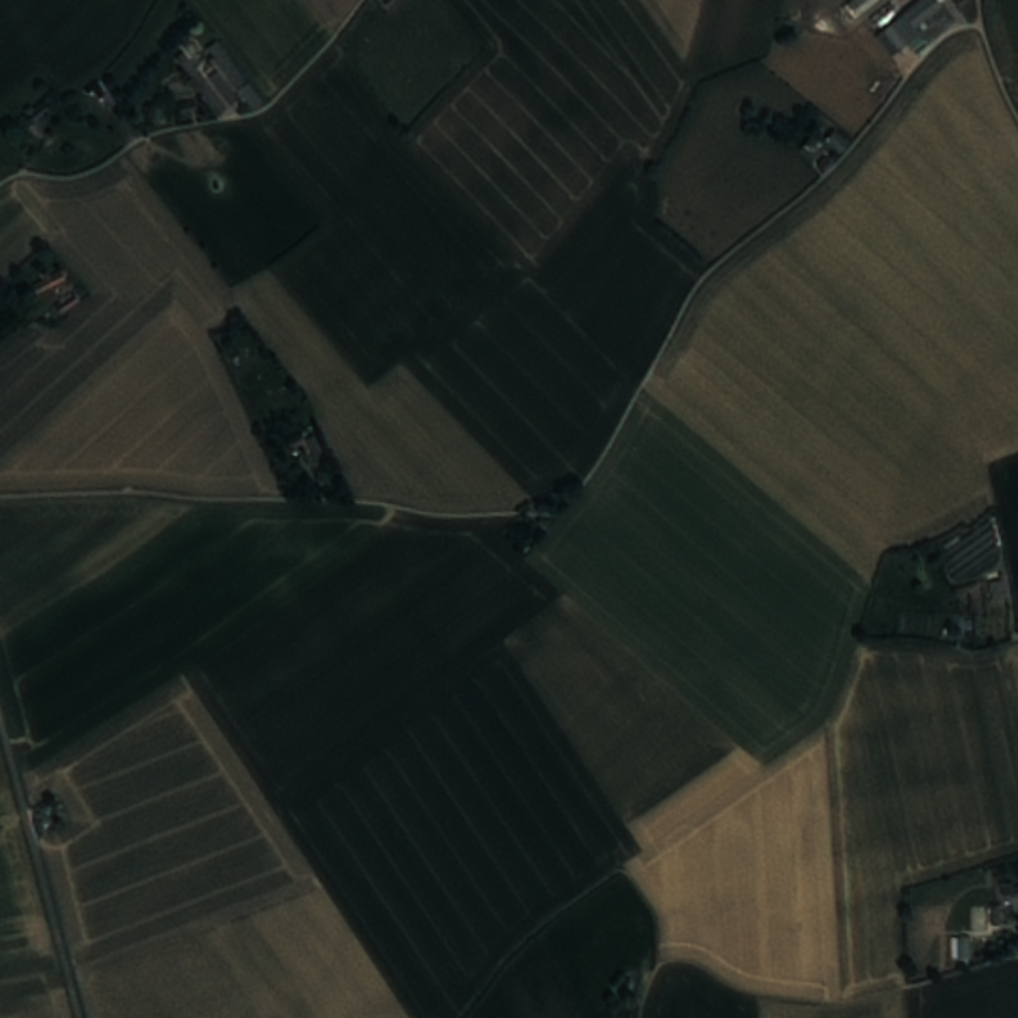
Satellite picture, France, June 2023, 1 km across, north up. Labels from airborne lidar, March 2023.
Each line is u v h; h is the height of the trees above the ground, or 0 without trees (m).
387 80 0
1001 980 0
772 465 0
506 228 0
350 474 0
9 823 0
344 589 0
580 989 0
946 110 0
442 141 0
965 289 0
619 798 0
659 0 0
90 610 0
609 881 0
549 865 0
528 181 0
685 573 0
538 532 12
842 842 0
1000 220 0
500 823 0
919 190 0
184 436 0
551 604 0
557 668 0
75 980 0
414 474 0
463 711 0
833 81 0
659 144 0
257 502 0
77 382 0
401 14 0
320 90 0
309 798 0
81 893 0
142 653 0
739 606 0
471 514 0
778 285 0
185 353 0
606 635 0
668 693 0
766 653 0
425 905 0
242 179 0
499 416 0
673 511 0
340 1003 0
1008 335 0
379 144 0
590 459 0
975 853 0
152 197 0
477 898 0
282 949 0
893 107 0
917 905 0
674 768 0
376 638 0
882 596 0
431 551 0
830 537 0
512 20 0
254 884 0
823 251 0
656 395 0
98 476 0
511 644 0
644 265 0
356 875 0
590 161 0
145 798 0
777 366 0
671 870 0
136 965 0
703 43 0
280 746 0
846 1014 0
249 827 0
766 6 0
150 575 0
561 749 0
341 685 0
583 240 0
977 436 0
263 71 0
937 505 0
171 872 0
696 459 0
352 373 0
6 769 0
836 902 0
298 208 0
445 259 0
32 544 0
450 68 0
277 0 0
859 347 0
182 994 0
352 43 0
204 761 0
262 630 0
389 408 0
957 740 0
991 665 0
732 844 0
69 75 0
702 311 0
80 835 0
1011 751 0
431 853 0
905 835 0
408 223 0
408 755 0
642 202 0
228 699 0
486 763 0
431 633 0
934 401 0
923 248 0
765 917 0
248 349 0
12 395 0
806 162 0
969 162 0
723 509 0
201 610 0
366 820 0
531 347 0
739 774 0
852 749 0
